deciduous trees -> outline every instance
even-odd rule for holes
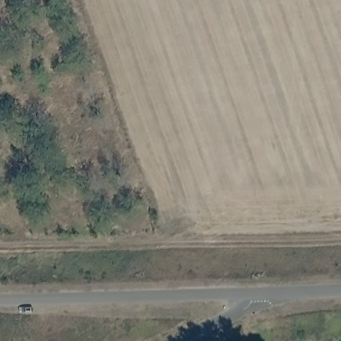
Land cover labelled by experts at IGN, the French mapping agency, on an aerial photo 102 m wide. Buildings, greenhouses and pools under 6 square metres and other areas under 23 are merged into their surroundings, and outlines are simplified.
[[[0,95],[0,133],[15,133],[17,143],[25,144],[20,149],[11,145],[12,160],[21,160],[25,163],[31,160],[36,167],[36,172],[27,172],[23,176],[12,178],[11,184],[5,180],[5,173],[0,176],[0,202],[16,200],[19,213],[25,217],[47,208],[47,202],[41,200],[41,186],[45,178],[57,182],[63,188],[67,186],[72,189],[73,186],[77,186],[84,201],[97,201],[100,197],[93,196],[95,189],[89,188],[89,181],[80,180],[76,178],[75,173],[69,173],[72,167],[67,167],[67,156],[61,153],[59,145],[55,143],[57,128],[53,121],[44,121],[41,128],[29,127],[29,119],[24,111],[16,111],[13,108],[15,97],[9,93]]]
[[[127,197],[127,200],[120,202],[119,209],[113,201],[105,200],[103,208],[92,209],[87,216],[91,234],[93,237],[97,234],[115,236],[115,224],[121,213],[131,212],[140,200]]]
[[[45,92],[52,93],[52,87],[48,87],[51,80],[40,57],[47,44],[37,31],[43,20],[48,19],[49,27],[59,37],[60,45],[60,51],[52,57],[52,68],[56,72],[72,75],[75,79],[80,73],[83,73],[84,77],[91,75],[92,61],[87,63],[83,53],[87,43],[77,27],[77,15],[73,12],[72,3],[67,0],[44,0],[44,4],[32,8],[5,5],[11,13],[11,19],[7,28],[0,28],[0,61],[23,51],[23,37],[33,35],[31,71],[35,76],[35,84],[39,87],[37,95],[40,97]]]

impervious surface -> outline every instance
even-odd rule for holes
[[[188,328],[178,328],[178,334],[173,337],[173,341],[248,341],[246,334],[241,332],[241,326],[232,326],[232,322],[237,318],[294,298],[341,294],[341,285],[0,296],[0,304],[11,304],[21,310],[31,310],[36,304],[218,298],[229,302],[229,310],[224,316],[198,325],[188,322]]]

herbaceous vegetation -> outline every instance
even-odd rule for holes
[[[196,222],[190,217],[178,216],[178,208],[157,212],[163,218],[181,218],[182,224],[188,228],[169,237],[168,242],[161,244],[161,249],[63,252],[63,256],[56,258],[36,258],[32,252],[16,253],[16,256],[7,258],[0,253],[0,296],[341,285],[341,230],[198,234],[193,228]]]
[[[178,334],[178,328],[188,328],[188,322],[198,325],[224,316],[229,310],[229,302],[218,298],[36,304],[31,310],[21,310],[11,304],[0,304],[0,341],[173,341],[173,337]]]
[[[0,28],[7,28],[11,19],[11,13],[5,5],[32,8],[44,4],[44,0],[0,0]]]
[[[246,334],[248,341],[341,341],[341,294],[294,298],[237,318],[232,322],[232,326],[241,326],[241,332]]]
[[[87,216],[92,209],[103,208],[105,200],[113,201],[119,209],[120,202],[127,200],[127,197],[140,200],[131,212],[121,213],[115,224],[121,226],[124,222],[141,220],[149,213],[149,208],[157,209],[155,193],[148,184],[147,176],[137,159],[135,147],[129,139],[127,124],[117,103],[115,84],[93,31],[84,0],[67,0],[72,3],[73,12],[77,15],[77,27],[87,43],[83,53],[87,63],[92,61],[91,75],[84,77],[83,73],[80,73],[75,79],[72,75],[56,72],[52,68],[52,57],[60,51],[60,45],[59,37],[49,27],[48,19],[43,20],[37,31],[47,44],[40,57],[51,80],[48,87],[52,87],[52,93],[45,92],[40,97],[37,95],[39,87],[35,84],[35,76],[31,71],[33,35],[23,37],[23,51],[0,61],[0,95],[9,93],[15,97],[13,108],[16,111],[24,111],[29,119],[29,127],[41,128],[44,121],[53,121],[57,128],[55,143],[59,145],[61,153],[67,156],[67,167],[72,167],[69,173],[75,173],[76,178],[80,180],[89,181],[89,188],[95,189],[93,196],[100,197],[97,201],[84,201],[77,186],[73,186],[72,189],[67,186],[63,188],[57,182],[45,178],[41,186],[41,200],[47,202],[47,208],[25,217],[19,213],[16,200],[0,202],[0,240],[32,241],[32,238],[25,236],[25,232],[44,233],[45,236],[57,234],[59,240],[91,234]]]
[[[25,163],[21,160],[12,160],[11,145],[20,149],[25,144],[17,143],[15,133],[0,133],[0,176],[5,173],[5,180],[11,184],[12,178],[23,176],[27,172],[36,172],[36,167],[31,160]]]

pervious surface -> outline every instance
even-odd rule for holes
[[[25,236],[32,238],[32,241],[0,240],[0,253],[7,258],[16,256],[16,253],[32,252],[36,258],[56,258],[63,256],[63,252],[161,249],[161,244],[168,242],[169,237],[188,228],[182,224],[181,218],[163,218],[157,212],[157,209],[149,208],[149,213],[141,220],[124,222],[121,226],[115,224],[115,236],[97,234],[93,237],[91,234],[59,240],[57,234],[45,236],[44,233],[25,232]]]

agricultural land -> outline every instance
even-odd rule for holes
[[[147,176],[148,184],[155,193],[157,209],[157,212],[178,208],[178,216],[190,217],[196,222],[193,228],[198,234],[341,230],[341,0],[84,0],[93,31],[115,84],[117,103],[127,124],[129,139],[135,147],[137,159]]]

